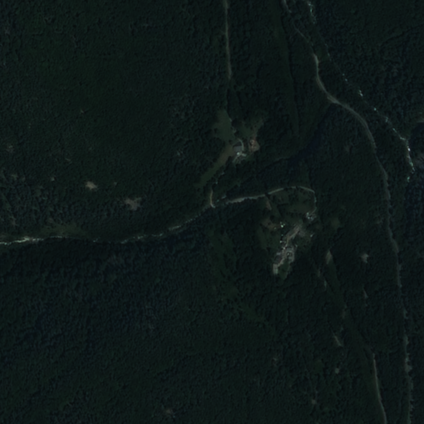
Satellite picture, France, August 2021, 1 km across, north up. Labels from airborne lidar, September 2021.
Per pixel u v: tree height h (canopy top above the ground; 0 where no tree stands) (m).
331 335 17
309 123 35
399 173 12
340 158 20
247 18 22
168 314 31
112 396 25
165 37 32
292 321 23
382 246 34
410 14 25
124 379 29
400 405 30
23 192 27
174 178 33
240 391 23
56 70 20
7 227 13
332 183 18
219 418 27
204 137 26
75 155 16
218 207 9
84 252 22
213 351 25
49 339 38
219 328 20
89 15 25
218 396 20
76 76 26
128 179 17
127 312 20
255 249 22
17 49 16
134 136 20
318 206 11
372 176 15
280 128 13
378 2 22
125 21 25
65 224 11
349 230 19
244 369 30
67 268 21
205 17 20
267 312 11
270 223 7
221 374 25
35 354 29
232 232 17
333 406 29
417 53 27
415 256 27
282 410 20
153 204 14
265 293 19
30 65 23
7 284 26
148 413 23
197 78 27
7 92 13
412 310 32
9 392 22
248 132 0
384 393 26
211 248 18
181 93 28
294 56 20
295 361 23
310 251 7
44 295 22
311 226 13
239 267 21
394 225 26
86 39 24
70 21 24
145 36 29
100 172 20
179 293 25
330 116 20
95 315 27
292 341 22
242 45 8
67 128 15
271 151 22
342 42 28
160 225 16
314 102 29
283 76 26
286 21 22
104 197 20
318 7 9
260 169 19
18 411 28
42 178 24
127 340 26
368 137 10
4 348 27
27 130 14
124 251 23
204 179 0
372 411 29
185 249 22
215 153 13
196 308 29
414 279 32
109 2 15
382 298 20
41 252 17
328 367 28
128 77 21
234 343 29
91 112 23
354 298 23
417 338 20
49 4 26
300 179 17
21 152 16
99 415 23
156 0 30
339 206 25
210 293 26
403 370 20
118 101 21
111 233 13
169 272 26
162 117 23
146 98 26
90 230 16
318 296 21
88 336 19
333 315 25
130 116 24
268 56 30
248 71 26
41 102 12
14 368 32
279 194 0
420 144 31
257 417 23
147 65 27
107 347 26
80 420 27
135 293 25
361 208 17
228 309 20
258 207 17
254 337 25
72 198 22
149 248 21
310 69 24
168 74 25
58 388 29
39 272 17
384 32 21
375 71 24
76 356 22
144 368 23
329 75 11
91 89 28
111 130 20
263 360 24
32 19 23
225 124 0
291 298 25
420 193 35
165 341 27
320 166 17
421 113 6
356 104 20
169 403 26
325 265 27
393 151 13
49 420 25
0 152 22
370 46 22
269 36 31
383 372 29
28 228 21
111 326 25
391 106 10
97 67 17
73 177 22
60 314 28
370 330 23
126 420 30
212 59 35
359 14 23
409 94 15
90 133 13
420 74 26
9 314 29
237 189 16
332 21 26
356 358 22
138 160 16
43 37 28
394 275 12
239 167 20
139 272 26
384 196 32
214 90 22
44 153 18
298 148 23
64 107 18
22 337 20
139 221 17
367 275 20
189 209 21
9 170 19
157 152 20
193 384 28
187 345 20
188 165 20
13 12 21
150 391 22
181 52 30
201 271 26
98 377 29
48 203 18
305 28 16
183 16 34
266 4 34
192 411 31
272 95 19
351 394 25
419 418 18
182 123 21
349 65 16
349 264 29
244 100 26
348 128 32
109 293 25
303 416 26
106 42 23
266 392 30
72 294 14
